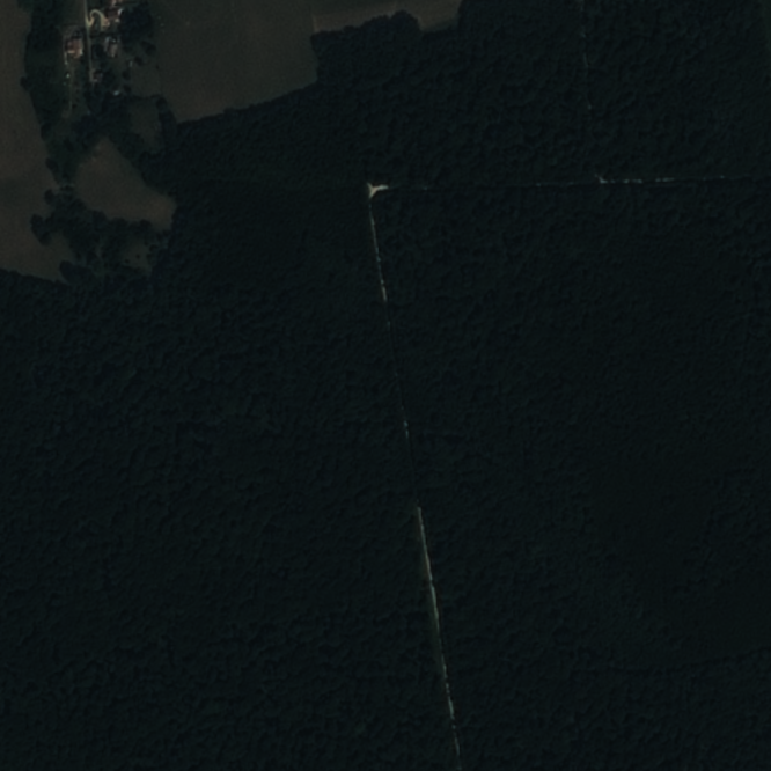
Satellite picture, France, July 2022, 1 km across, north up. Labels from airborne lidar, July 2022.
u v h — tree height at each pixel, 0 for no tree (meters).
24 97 0
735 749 23
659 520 11
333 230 16
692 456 12
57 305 25
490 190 12
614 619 14
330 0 0
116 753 18
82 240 10
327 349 24
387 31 28
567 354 19
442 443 29
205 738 25
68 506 28
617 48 21
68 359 31
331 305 17
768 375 21
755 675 23
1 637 24
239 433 30
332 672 24
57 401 24
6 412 25
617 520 11
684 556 11
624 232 19
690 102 23
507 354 26
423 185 7
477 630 18
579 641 16
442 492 22
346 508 25
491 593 22
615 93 18
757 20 21
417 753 21
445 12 0
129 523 24
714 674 22
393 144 23
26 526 21
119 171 0
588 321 22
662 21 22
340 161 19
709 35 26
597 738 27
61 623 30
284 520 25
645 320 19
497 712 23
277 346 18
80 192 0
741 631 11
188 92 0
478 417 28
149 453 28
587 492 23
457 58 21
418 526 10
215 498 28
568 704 28
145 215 0
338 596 23
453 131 27
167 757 28
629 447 20
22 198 0
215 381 32
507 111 25
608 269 20
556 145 22
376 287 14
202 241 22
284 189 12
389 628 26
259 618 19
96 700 24
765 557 17
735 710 19
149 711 27
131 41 12
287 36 0
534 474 24
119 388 22
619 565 23
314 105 20
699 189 17
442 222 10
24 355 27
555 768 27
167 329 29
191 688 20
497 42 19
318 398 17
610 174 9
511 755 21
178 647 26
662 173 8
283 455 23
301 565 22
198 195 19
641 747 26
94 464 27
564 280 19
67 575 31
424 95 24
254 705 27
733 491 21
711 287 17
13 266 0
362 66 21
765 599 12
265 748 28
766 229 15
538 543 24
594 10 14
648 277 17
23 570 26
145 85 0
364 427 25
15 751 24
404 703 26
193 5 0
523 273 23
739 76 19
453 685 14
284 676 26
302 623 25
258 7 0
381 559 27
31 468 24
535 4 16
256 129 18
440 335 19
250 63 0
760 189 17
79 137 21
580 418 18
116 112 18
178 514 23
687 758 27
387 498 24
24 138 0
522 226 23
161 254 7
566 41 25
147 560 27
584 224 21
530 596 23
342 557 26
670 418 20
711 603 14
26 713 28
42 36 10
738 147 22
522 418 27
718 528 22
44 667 26
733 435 12
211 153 18
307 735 28
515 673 26
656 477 13
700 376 19
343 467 27
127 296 25
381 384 24
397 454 19
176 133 15
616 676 27
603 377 19
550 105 28
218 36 0
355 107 23
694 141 25
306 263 18
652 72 18
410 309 19
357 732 21
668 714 22
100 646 25
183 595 26
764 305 20
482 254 26
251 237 12
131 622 29
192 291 23
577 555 16
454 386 21
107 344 25
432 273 23
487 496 25
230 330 24
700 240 18
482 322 25
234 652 28
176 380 27
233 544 26
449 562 24
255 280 16
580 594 19
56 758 23
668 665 17
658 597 10
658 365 17
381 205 11
